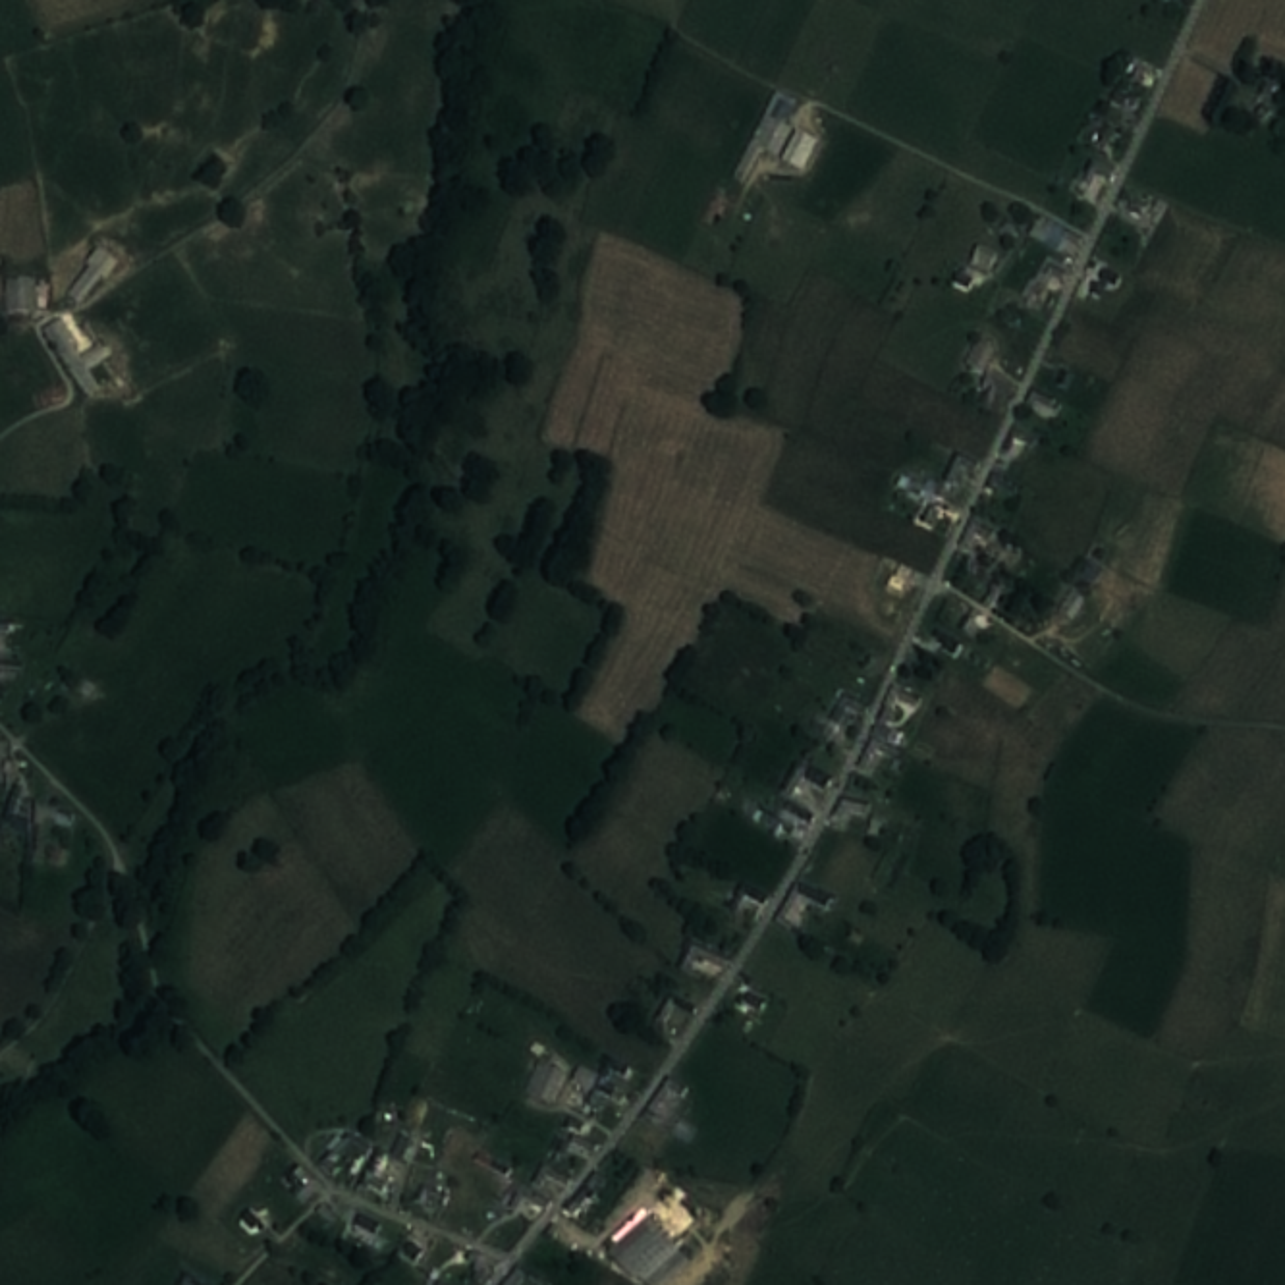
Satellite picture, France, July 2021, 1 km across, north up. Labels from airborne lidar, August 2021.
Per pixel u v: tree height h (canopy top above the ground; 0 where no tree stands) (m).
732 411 16
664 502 0
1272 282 0
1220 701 0
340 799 0
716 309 0
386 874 0
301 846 0
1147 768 0
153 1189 0
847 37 0
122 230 0
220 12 0
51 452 0
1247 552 0
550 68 0
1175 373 0
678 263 0
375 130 0
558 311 0
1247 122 11
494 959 0
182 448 0
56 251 0
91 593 13
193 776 24
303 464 0
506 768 0
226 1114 0
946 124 0
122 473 9
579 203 0
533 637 0
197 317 0
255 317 0
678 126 0
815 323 0
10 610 0
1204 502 0
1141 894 0
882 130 0
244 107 0
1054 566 0
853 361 0
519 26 0
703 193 0
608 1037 0
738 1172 0
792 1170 0
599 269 0
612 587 0
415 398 23
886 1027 0
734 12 0
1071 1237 0
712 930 9
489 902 0
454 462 0
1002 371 0
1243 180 0
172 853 21
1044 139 0
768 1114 0
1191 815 0
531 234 0
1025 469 0
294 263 0
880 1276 0
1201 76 0
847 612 0
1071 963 0
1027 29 0
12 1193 0
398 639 0
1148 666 0
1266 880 0
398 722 0
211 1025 0
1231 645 0
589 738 0
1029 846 0
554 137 7
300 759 0
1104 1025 0
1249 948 0
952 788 0
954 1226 0
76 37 0
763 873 0
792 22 0
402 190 0
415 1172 0
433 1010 0
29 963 0
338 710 0
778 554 0
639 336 0
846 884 0
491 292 0
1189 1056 0
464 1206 0
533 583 0
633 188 0
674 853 14
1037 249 0
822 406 0
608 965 0
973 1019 0
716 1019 8
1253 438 0
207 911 0
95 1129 24
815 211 0
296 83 0
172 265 0
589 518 22
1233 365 0
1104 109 12
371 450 18
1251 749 0
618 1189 8
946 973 0
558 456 14
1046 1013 0
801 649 10
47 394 0
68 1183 0
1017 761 0
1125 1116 0
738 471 0
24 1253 0
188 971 0
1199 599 0
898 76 0
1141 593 0
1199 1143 0
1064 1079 0
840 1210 0
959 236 0
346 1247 16
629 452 0
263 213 0
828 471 0
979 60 0
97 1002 0
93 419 0
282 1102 0
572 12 0
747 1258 0
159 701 0
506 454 0
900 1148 0
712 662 0
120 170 0
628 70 0
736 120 0
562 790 0
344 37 0
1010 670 0
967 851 11
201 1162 0
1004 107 0
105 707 0
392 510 0
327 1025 0
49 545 0
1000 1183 0
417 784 0
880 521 0
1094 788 0
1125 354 0
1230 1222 0
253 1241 0
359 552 0
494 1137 0
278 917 0
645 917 0
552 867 0
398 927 0
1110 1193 0
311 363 0
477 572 0
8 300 0
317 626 20
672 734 16
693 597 0
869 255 0
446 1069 0
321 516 0
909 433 7
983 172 0
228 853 0
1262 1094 0
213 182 17
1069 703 0
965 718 0
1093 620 0
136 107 0
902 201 0
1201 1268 0
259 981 0
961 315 0
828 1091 0
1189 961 0
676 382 0
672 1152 0
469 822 0
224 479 0
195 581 0
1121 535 0
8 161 0
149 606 0
